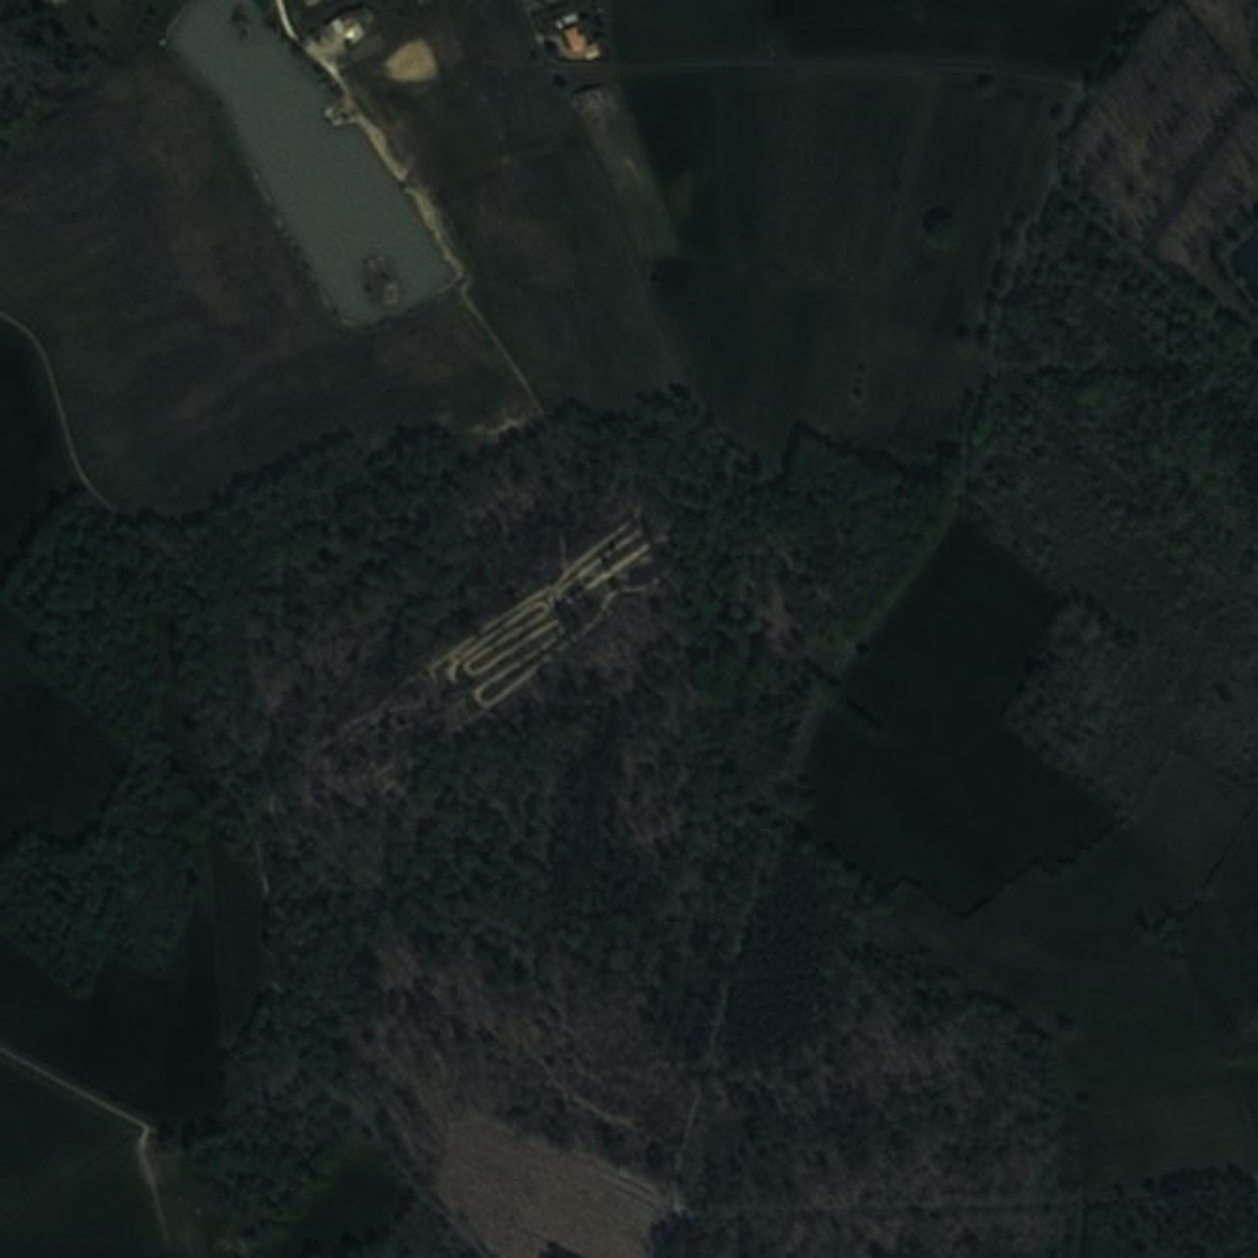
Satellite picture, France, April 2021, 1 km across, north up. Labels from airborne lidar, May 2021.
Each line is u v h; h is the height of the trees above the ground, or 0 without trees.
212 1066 0
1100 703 8
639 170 0
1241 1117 0
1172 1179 0
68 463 0
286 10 0
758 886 16
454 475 13
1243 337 19
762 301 0
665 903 18
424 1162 15
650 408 16
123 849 18
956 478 20
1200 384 11
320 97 0
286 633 14
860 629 18
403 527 20
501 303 0
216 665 20
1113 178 19
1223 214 24
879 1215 17
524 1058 10
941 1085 17
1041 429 12
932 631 0
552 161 0
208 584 25
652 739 17
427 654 8
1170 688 7
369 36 0
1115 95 22
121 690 14
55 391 0
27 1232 0
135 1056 0
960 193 0
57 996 0
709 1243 21
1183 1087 0
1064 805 0
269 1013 15
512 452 16
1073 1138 11
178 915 15
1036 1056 22
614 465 12
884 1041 17
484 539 10
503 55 0
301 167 0
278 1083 16
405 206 0
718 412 0
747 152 0
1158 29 21
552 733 20
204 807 16
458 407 0
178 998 0
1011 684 0
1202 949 0
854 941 6
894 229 0
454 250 0
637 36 0
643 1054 14
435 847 18
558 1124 11
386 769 0
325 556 7
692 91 0
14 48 15
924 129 0
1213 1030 0
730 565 22
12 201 0
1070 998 0
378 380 0
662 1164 21
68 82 13
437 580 16
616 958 17
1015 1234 8
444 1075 13
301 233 0
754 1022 17
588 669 9
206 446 0
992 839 0
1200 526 12
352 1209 0
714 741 16
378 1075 16
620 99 0
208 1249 0
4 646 0
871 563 22
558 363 0
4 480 0
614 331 0
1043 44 0
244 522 22
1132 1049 0
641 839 10
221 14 0
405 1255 15
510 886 19
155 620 19
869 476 22
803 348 0
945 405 0
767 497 21
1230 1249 19
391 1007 29
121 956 10
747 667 21
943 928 0
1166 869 0
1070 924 0
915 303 0
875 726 14
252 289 0
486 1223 0
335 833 21
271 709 12
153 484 0
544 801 15
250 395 0
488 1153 0
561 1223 0
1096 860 0
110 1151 0
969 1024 18
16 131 17
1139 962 0
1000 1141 21
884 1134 25
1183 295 19
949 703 0
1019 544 6
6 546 0
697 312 0
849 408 0
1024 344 18
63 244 0
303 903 9
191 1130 0
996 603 0
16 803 0
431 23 0
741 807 10
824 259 0
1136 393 12
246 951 0
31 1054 0
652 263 0
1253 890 0
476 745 20
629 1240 0
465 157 0
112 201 0
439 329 0
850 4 0
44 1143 0
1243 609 10
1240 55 0
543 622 0
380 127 0
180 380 0
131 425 0
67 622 16
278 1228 15
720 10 0
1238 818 0
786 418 0
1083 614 13
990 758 0
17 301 0
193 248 0
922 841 0
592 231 0
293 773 23
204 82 0
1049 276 10
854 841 0
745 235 0
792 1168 18
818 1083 15
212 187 0
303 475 19
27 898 24
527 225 0
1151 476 13
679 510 22
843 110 0
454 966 28
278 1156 23
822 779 0
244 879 0
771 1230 17
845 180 0
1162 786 0
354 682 8
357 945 22
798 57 0
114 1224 0
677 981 22
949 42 0
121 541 18
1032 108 0
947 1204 14
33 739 0
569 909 18
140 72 0
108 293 0
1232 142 19
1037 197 0
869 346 0
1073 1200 15
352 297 0
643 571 0
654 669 15
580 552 21
